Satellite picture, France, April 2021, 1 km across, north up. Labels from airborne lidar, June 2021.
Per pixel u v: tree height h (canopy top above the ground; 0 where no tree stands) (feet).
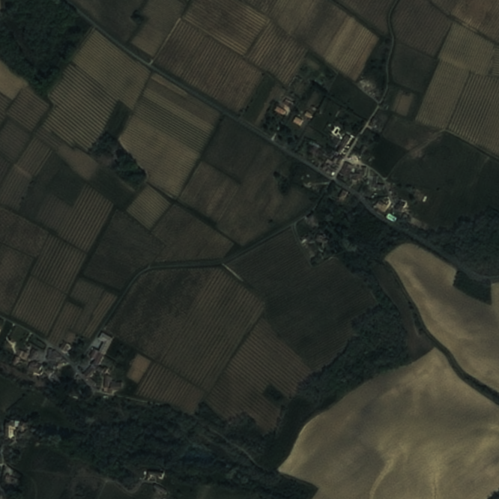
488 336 0
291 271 0
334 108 0
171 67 0
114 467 54
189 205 0
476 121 0
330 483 0
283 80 0
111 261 0
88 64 0
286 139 0
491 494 0
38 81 60
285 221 0
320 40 0
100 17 0
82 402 26
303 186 21
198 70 0
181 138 0
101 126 0
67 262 0
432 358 0
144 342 0
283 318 0
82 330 0
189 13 0
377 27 0
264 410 0
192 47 0
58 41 73
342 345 0
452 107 0
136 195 0
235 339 0
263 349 0
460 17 0
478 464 0
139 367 0
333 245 44
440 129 0
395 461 0
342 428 0
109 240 0
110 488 0
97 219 0
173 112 0
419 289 0
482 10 0
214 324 0
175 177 0
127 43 0
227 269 0
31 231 0
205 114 0
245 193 0
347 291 0
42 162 0
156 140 0
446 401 0
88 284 0
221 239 0
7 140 0
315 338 0
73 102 0
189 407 0
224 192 0
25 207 0
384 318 58
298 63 0
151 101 0
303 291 0
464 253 50
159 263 0
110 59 0
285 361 0
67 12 81
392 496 0
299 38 0
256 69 0
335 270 0
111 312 0
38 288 0
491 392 50
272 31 0
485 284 38
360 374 52
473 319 0
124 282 0
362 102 0
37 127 0
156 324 0
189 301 0
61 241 0
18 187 0
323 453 0
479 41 0
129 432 60
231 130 0
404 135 0
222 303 0
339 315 0
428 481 0
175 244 0
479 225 54
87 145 0
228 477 47
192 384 0
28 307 0
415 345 0
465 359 0
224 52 0
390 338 40
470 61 0
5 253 0
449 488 0
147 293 0
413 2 0
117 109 0
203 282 0
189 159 0
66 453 41
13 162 0
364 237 56
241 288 0
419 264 0
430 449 0
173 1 0
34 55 66
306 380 0
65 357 0
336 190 25
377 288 46
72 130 0
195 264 0
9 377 22
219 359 0
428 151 0
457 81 0
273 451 18
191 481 51
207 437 25
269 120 29
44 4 72
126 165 68
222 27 0
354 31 0
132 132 0
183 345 0
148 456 71
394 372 56
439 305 0
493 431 0
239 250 0
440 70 0
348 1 0
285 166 0
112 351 0
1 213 0
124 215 0
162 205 0
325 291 0
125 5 0
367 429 0
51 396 34
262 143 0
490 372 0
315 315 0
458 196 0
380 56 0
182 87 0
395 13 0
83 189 0
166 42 0
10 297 0
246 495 23
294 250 0
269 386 0
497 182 0
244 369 0
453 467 0
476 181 0
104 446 74
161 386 0
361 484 0
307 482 0
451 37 0
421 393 0
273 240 0
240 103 0
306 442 0
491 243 53
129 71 0
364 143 35
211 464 60
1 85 0
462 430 0
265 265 0
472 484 0
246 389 0
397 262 0
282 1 0
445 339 0
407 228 53
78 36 72
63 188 0
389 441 0
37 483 0
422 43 0
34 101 0
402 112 0
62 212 0
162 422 36
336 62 0
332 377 77
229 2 0
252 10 0
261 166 0
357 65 0
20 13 62
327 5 0
